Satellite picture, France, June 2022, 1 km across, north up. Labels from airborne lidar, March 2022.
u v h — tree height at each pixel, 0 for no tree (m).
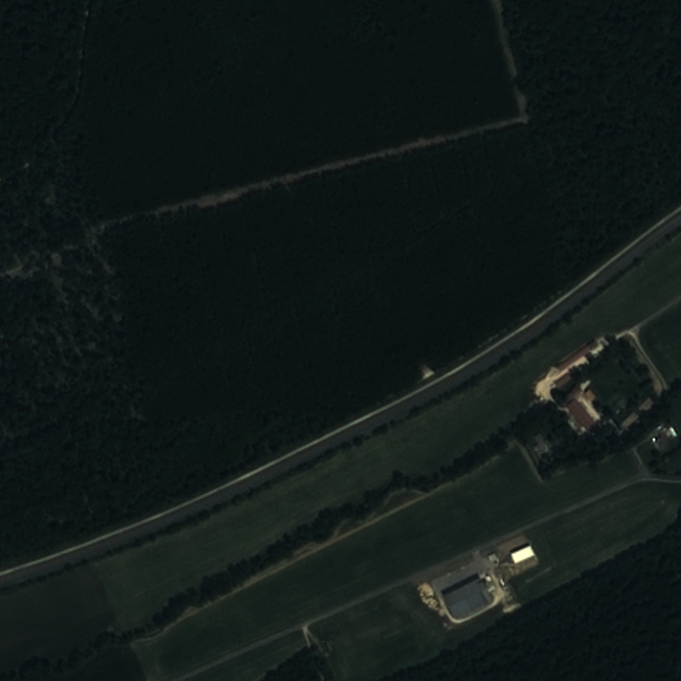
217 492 0
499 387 0
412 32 11
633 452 0
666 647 21
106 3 20
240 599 0
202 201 0
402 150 0
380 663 0
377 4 20
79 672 0
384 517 0
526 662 19
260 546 0
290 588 0
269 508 0
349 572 0
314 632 0
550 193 10
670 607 17
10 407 25
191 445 14
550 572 0
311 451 0
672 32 21
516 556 6
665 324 0
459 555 0
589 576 14
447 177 14
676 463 0
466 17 0
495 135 10
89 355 24
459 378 0
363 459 0
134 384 16
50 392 20
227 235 13
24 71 24
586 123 16
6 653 0
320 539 12
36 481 21
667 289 0
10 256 27
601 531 0
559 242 7
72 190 24
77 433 15
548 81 22
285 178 0
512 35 12
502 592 0
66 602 0
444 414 0
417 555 0
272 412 16
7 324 25
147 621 0
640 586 18
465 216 15
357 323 0
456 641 0
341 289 7
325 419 16
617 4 23
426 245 6
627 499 0
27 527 18
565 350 0
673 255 0
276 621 0
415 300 0
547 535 0
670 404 16
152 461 18
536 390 0
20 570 0
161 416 16
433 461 0
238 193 0
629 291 0
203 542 0
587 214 14
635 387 0
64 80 25
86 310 22
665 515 0
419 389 0
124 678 0
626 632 19
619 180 20
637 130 16
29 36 26
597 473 0
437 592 0
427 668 14
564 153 11
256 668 0
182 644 0
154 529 0
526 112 0
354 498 0
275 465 0
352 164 0
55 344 25
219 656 0
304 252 13
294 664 15
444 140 0
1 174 20
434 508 0
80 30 26
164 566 0
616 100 12
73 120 20
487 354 0
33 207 23
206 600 15
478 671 18
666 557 14
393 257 6
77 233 25
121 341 21
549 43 25
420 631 0
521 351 7
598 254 18
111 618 0
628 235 19
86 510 19
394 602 0
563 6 24
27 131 24
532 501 0
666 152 7
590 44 22
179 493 14
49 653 0
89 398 16
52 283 25
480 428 0
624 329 0
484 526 0
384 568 0
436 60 7
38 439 20
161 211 0
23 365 26
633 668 21
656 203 13
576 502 0
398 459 0
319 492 0
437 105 10
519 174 6
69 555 0
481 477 0
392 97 8
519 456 0
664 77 19
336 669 0
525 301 7
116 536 0
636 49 17
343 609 0
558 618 19
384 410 0
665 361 0
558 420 18
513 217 6
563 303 0
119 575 0
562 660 22
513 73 0
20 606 0
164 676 0
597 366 23
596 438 23
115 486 23
